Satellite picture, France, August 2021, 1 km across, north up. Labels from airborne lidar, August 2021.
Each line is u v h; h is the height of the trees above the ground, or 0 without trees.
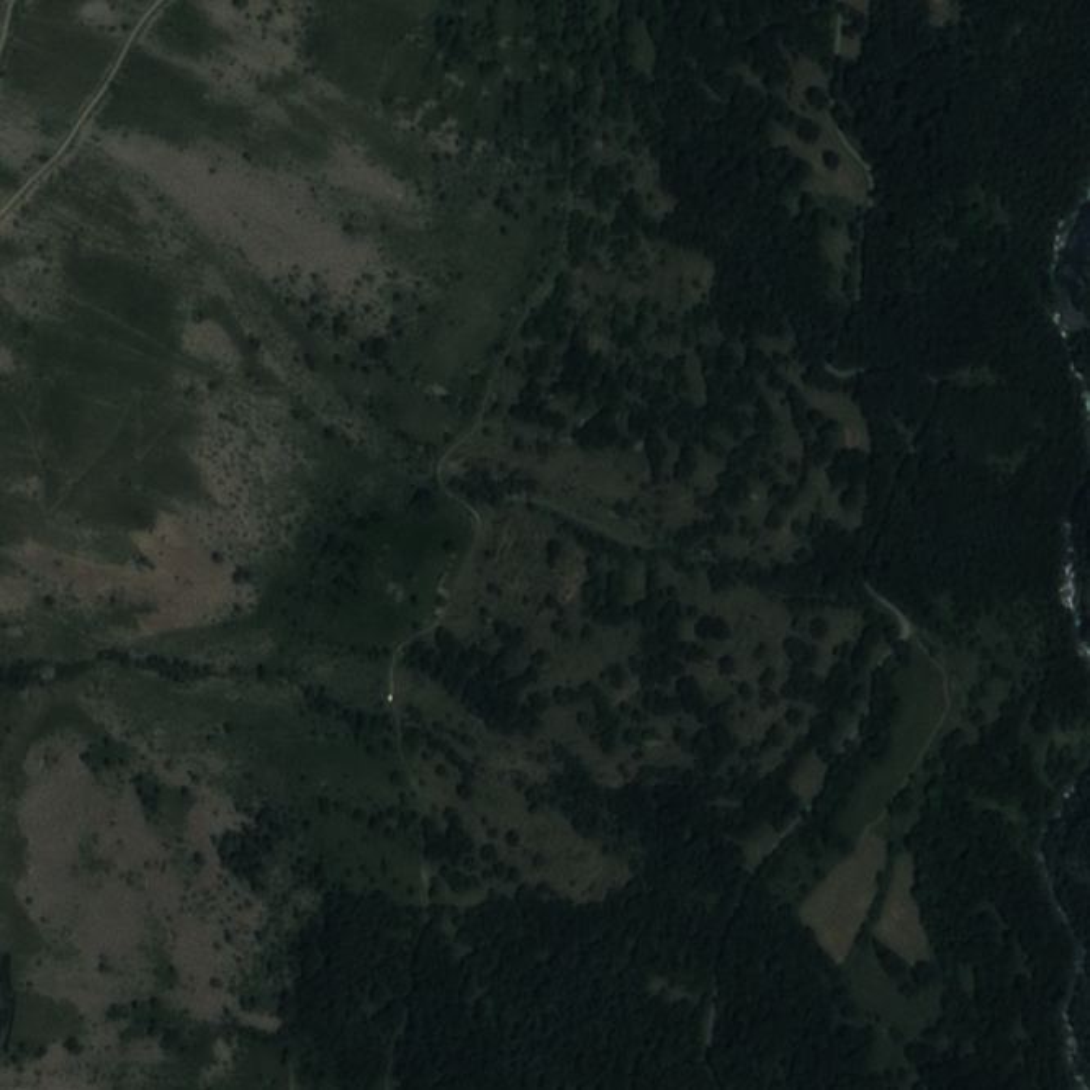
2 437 0
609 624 13
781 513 7
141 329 0
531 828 0
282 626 0
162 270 0
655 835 15
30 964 0
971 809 16
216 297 0
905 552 16
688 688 17
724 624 13
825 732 17
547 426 13
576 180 9
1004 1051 21
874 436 12
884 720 18
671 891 19
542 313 7
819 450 11
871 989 0
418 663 8
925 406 18
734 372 11
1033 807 18
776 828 16
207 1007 0
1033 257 17
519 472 9
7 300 0
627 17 16
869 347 15
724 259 10
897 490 16
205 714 0
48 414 0
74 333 0
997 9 13
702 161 16
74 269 0
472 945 12
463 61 7
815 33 15
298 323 0
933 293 16
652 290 0
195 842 0
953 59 22
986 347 17
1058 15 13
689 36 18
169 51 0
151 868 6
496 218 0
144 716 0
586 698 9
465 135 9
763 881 13
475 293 0
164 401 0
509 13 0
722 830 18
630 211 12
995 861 20
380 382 0
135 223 0
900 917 0
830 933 0
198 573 0
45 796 0
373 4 0
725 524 11
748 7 19
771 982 13
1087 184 10
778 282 15
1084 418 14
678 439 12
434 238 0
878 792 0
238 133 0
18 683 8
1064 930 15
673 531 6
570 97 8
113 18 0
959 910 18
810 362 14
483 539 0
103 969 9
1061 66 12
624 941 17
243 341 0
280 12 7
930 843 13
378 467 0
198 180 0
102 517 0
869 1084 15
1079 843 14
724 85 17
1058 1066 24
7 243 0
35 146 0
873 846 0
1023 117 11
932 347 13
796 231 12
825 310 13
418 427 0
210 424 0
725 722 14
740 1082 21
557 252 6
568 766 9
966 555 17
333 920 12
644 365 8
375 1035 12
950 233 16
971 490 16
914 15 10
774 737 12
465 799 11
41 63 0
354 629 0
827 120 0
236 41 0
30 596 0
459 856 11
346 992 11
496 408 10
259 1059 0
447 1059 22
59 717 0
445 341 0
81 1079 0
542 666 8
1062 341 15
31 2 0
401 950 14
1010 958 18
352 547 8
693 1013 11
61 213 0
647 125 14
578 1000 22
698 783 16
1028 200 13
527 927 12
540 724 11
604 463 0
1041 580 15
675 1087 22
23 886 0
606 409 10
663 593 11
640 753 7
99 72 0
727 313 12
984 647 7
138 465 0
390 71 0
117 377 0
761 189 13
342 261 0
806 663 13
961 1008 15
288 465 0
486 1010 16
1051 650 12
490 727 9
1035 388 19
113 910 0
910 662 9
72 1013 0
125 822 0
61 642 0
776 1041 20
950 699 0
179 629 0
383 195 0
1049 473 14
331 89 0
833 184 0
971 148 17
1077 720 11
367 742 6
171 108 0
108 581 0
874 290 12
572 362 13
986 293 15
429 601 0
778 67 18
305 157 0
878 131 20
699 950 13
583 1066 17
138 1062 0
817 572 20
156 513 0
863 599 11
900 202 18
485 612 11
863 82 15
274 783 0
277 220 0
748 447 11
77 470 0
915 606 16
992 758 25
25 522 0
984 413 20
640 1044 17
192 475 0
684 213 17
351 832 0
